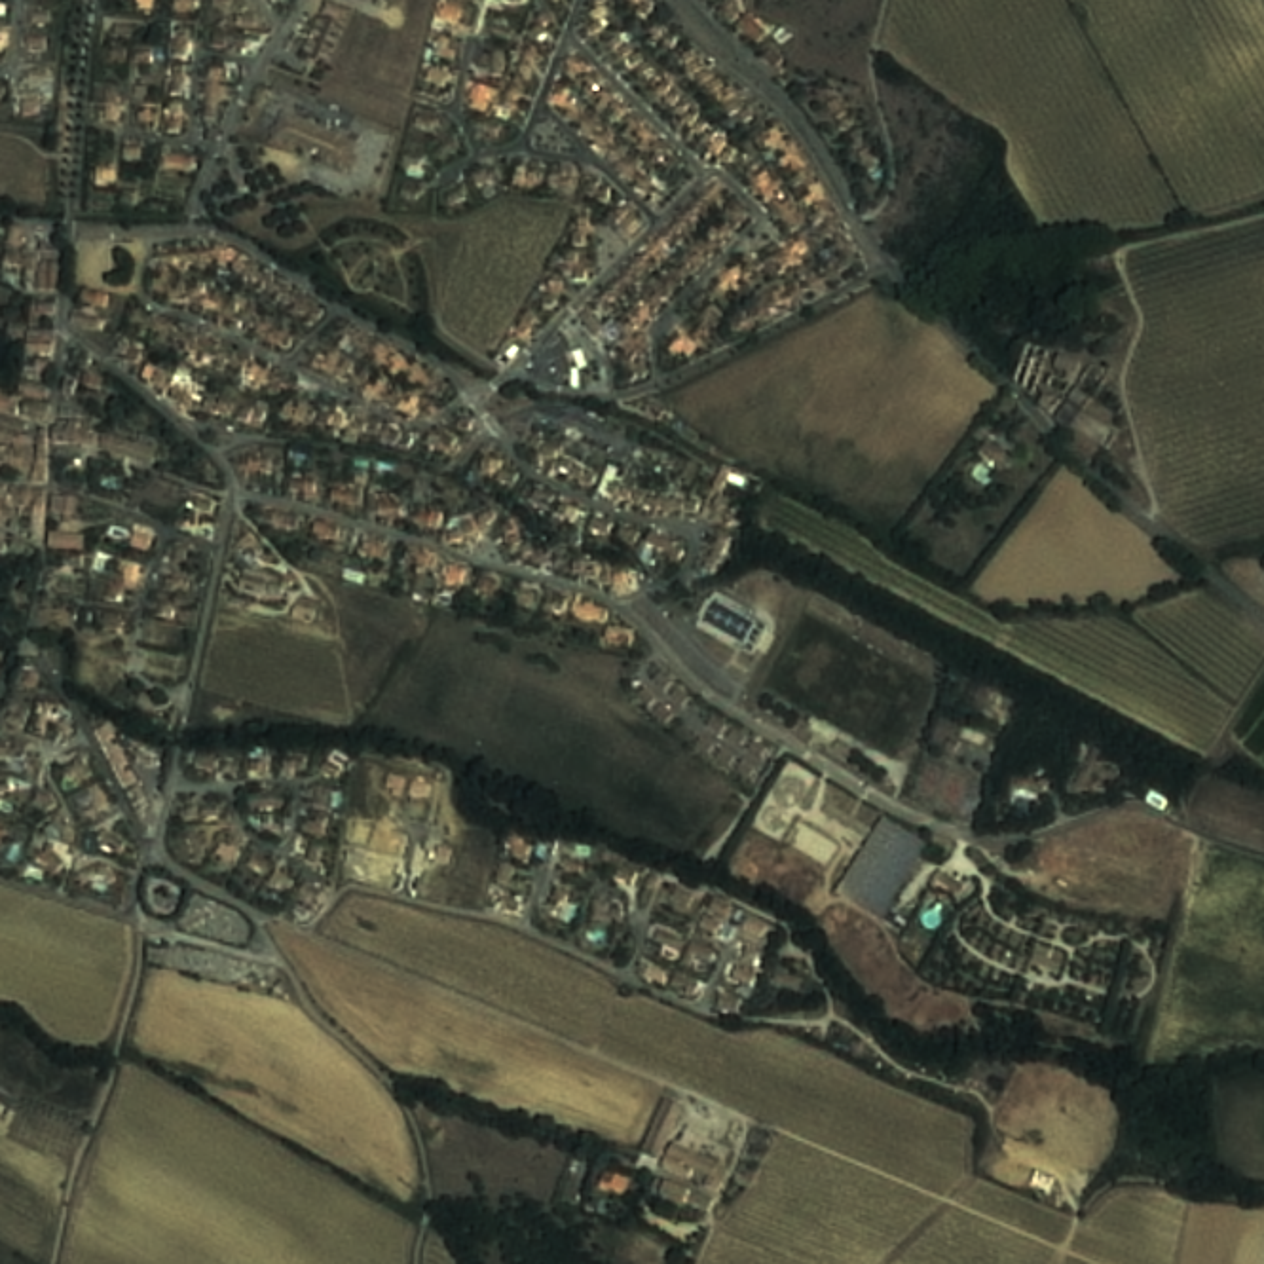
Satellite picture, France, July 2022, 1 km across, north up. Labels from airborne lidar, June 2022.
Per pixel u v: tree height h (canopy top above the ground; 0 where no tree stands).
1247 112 0
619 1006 0
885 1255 0
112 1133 0
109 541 10
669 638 0
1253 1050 7
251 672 0
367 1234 0
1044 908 8
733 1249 0
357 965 0
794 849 0
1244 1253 0
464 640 0
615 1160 10
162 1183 0
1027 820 9
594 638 10
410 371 0
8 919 0
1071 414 0
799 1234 0
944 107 7
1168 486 0
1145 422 0
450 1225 11
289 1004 0
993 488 8
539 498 0
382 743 19
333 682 0
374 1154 0
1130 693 0
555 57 0
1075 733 7
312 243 0
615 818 0
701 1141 0
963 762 8
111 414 12
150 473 6
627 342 0
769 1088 0
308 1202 0
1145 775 8
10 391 7
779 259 0
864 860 0
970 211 6
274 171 9
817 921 11
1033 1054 17
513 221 0
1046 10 0
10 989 0
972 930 7
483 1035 0
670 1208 18
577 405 7
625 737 0
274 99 0
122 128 0
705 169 0
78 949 0
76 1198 0
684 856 7
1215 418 0
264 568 0
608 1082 0
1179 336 0
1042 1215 0
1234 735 0
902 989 0
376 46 0
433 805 0
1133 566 0
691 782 0
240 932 0
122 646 7
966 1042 14
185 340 0
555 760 0
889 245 6
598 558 8
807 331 0
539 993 0
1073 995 7
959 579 8
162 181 0
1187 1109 9
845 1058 7
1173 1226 0
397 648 0
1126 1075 15
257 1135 0
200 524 0
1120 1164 7
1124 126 0
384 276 7
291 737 16
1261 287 0
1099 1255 0
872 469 0
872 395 0
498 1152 0
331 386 0
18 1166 0
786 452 0
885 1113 0
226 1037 0
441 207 8
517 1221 11
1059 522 0
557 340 0
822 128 7
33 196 0
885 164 11
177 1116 0
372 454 10
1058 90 0
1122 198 0
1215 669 0
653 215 0
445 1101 17
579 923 10
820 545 0
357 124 0
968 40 0
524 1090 0
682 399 0
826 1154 0
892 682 0
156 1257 0
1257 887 0
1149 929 7
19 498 0
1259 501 0
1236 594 0
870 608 7
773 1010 11
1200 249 0
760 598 0
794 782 0
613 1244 0
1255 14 0
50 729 7
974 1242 0
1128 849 0
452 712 0
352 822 0
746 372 0
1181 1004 0
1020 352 15
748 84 0
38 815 8
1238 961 0
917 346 0
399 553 7
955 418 0
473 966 0
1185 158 0
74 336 0
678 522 0
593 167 0
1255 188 0
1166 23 0
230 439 0
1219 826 0
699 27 0
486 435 0
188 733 8
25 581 11
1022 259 27
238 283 5
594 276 0
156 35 13
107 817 0
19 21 0
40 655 0
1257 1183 11
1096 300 24
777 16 0
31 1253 0
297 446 6
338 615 0
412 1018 0
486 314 0
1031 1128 0
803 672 0
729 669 0
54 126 10
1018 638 0
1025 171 0
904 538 7
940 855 7
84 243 0
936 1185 0
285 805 7
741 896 9
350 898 0
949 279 24
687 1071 0
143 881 8
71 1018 0
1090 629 0
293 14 0
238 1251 0
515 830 11
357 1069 0
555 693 0
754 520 8
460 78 0
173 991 0
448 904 0
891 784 0
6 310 12
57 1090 0
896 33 0
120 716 8
